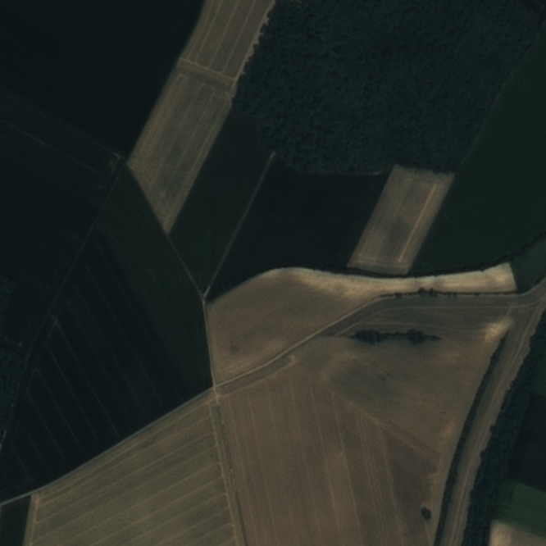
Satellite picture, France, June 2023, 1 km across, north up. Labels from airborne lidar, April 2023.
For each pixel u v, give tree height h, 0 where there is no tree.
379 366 0
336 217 0
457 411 0
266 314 0
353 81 19
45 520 0
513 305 0
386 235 0
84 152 0
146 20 0
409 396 0
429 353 0
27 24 0
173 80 0
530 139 0
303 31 20
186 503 0
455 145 14
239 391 0
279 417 0
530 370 14
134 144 0
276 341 0
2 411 17
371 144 16
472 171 0
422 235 0
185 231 0
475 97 15
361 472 0
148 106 0
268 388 0
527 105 0
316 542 0
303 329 0
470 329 0
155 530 0
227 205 0
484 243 0
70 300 0
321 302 0
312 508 0
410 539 0
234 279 0
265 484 0
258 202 0
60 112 0
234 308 0
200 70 0
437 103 15
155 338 0
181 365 0
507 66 14
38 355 0
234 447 0
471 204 0
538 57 0
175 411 0
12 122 0
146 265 0
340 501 0
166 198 0
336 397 0
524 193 0
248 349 0
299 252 0
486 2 19
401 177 0
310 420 0
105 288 0
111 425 0
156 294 0
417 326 0
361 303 0
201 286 0
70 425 0
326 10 17
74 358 0
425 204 0
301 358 0
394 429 0
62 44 0
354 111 22
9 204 0
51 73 0
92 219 0
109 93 0
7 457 0
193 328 0
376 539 0
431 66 19
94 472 0
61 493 0
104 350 0
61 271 0
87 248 0
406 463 0
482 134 0
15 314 0
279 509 0
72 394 0
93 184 0
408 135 16
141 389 0
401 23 19
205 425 0
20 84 0
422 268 0
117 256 0
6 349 20
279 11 14
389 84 16
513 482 0
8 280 18
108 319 0
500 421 8
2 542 0
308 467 0
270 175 0
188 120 0
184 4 0
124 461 0
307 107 22
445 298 0
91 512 0
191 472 0
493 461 19
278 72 25
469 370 0
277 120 15
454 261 0
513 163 0
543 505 0
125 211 0
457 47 16
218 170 0
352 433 0
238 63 0
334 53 18
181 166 0
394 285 0
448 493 8
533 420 0
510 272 0
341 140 19
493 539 0
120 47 0
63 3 0
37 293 0
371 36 22
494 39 20
